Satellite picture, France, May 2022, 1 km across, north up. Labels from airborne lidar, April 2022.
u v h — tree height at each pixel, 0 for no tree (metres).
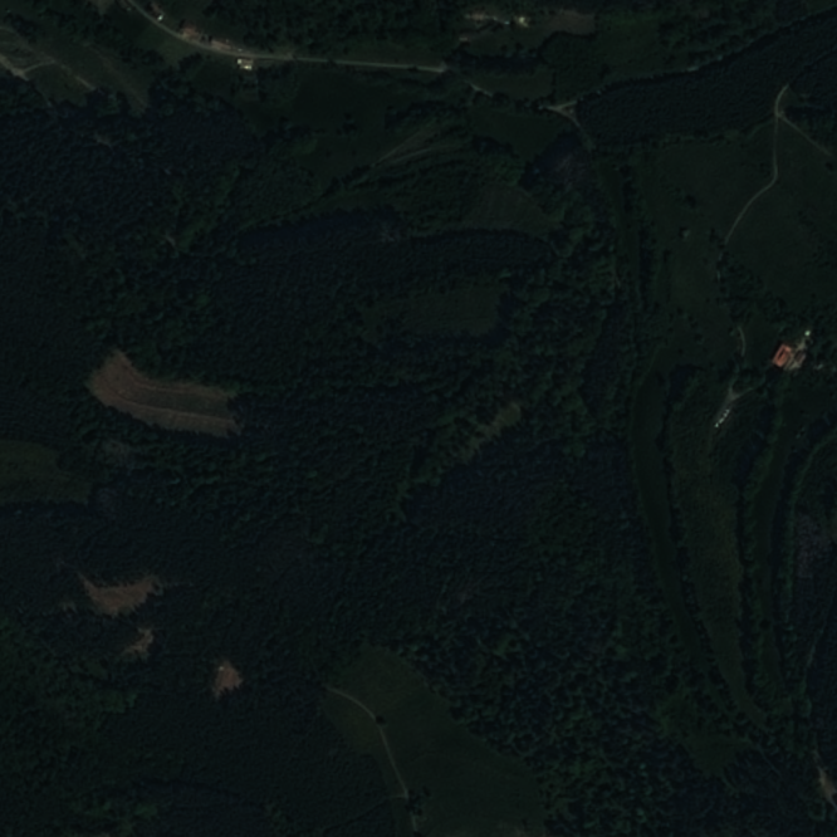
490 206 0
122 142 34
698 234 0
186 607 20
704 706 26
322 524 15
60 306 14
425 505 36
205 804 28
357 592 21
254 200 20
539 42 0
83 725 10
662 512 0
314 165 0
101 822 9
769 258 0
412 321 0
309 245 34
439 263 14
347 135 12
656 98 13
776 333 0
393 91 13
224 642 21
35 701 13
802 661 20
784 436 0
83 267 15
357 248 15
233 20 20
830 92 14
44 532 23
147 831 28
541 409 40
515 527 29
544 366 28
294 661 19
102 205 32
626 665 14
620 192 0
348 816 11
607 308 22
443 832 0
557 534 10
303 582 22
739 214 0
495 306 0
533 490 31
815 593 34
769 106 14
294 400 30
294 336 21
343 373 11
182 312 18
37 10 13
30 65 0
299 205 15
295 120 0
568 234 27
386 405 27
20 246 15
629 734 41
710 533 0
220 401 0
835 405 0
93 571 18
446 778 0
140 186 28
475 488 36
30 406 13
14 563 19
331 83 0
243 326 26
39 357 19
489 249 17
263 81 19
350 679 0
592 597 22
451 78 16
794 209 0
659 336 12
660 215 0
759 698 20
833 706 18
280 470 10
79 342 15
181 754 13
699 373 7
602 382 34
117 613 0
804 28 14
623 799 22
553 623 24
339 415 29
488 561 22
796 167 0
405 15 13
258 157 26
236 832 33
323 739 7
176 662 22
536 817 0
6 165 37
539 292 29
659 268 9
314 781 6
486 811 0
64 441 11
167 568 22
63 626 24
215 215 16
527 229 0
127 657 23
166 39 0
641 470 0
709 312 0
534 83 0
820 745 20
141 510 21
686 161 0
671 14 20
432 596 22
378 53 0
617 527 21
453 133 8
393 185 11
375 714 0
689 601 16
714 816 29
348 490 11
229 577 17
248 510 18
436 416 27
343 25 23
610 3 34
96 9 8
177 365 23
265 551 23
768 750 32
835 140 22
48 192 33
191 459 14
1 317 18
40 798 12
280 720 20
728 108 13
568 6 25
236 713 20
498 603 17
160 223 19
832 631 19
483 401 31
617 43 0
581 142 25
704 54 18
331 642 18
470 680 14
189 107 20
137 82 0
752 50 14
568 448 30
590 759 17
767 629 17
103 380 0
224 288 25
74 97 0
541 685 32
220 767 18
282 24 18
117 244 31
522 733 17
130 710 18
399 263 15
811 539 30
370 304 25
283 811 11
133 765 11
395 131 16
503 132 0
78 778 13
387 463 18
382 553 17
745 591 16
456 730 0
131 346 16
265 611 23
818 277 0
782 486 0
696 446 0
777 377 20
